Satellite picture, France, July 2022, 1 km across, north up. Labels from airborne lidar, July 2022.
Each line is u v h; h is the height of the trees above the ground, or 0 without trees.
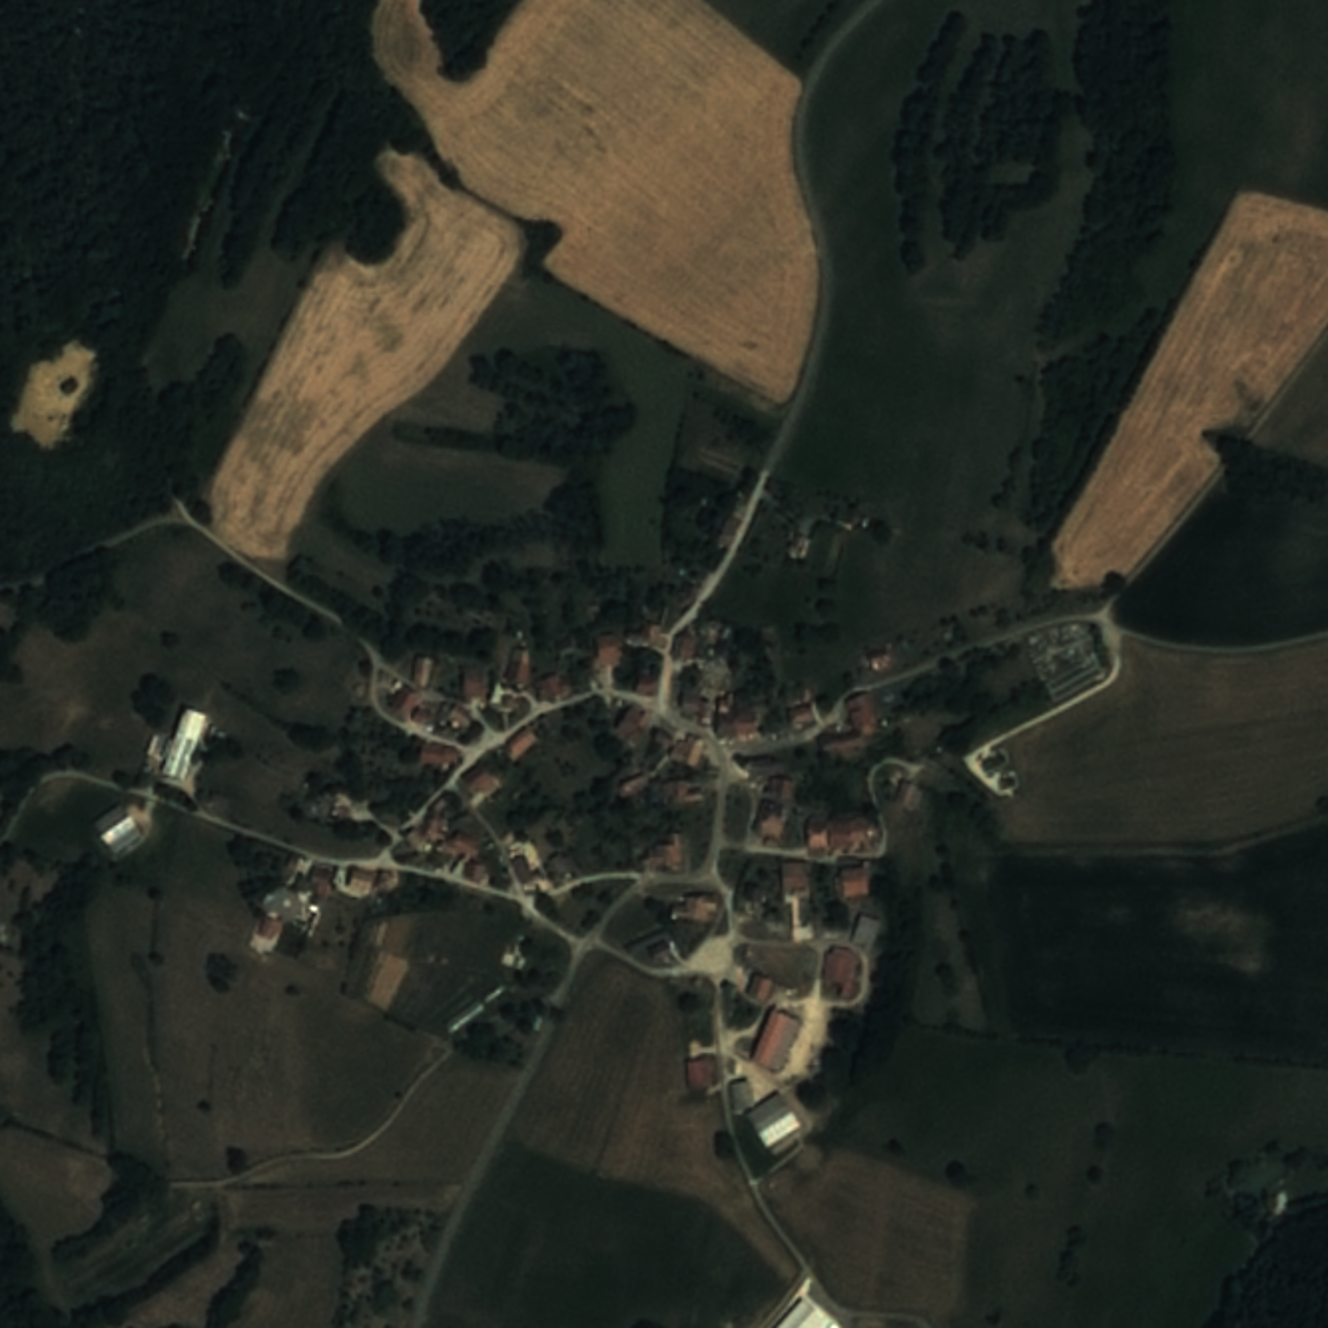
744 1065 0
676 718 0
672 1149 0
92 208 11
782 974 0
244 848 14
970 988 0
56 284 17
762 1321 0
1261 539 0
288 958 0
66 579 15
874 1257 0
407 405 0
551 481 0
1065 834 0
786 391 0
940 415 0
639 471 0
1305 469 6
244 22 17
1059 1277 7
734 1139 8
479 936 0
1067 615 0
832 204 0
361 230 14
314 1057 0
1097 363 11
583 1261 0
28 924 15
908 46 0
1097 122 15
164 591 0
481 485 0
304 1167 0
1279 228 0
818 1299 0
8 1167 0
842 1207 0
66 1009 16
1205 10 0
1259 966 0
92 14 14
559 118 0
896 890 21
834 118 0
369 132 20
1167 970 0
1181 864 0
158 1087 0
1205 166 0
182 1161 0
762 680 8
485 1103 0
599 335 0
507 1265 0
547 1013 16
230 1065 0
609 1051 0
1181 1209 0
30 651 0
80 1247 8
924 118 14
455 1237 0
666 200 0
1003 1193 0
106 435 7
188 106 26
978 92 11
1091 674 0
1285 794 0
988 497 0
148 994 0
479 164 0
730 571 0
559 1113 0
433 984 0
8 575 12
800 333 0
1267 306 0
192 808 14
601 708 7
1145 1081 0
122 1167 16
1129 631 0
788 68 0
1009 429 0
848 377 0
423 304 0
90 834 0
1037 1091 0
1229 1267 0
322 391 0
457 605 11
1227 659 0
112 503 6
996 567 0
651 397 0
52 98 14
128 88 14
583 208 0
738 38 0
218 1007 0
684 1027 0
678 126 0
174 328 0
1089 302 7
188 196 18
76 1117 0
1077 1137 0
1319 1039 0
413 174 0
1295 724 0
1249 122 0
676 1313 0
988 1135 0
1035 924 0
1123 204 20
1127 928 0
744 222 0
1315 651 0
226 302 0
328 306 0
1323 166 0
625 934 0
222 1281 0
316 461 0
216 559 0
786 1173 0
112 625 0
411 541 8
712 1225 0
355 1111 0
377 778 6
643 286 0
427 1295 0
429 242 0
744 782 0
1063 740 0
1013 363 0
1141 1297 0
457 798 8
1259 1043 0
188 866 0
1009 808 0
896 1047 18
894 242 0
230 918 0
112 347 15
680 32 0
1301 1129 0
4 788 12
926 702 13
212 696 0
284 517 0
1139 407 0
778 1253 0
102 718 0
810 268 0
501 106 0
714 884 0
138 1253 0
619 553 0
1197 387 0
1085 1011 0
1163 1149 0
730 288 0
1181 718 0
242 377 9
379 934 0
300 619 17
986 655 6
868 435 0
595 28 0
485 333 0
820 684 0
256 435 0
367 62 19
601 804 7
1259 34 0
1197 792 0
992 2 0
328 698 0
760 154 0
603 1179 0
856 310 0
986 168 10
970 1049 0
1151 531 0
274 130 18
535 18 0
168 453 16
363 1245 16
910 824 0
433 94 0
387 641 16
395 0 0
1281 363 0
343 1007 0
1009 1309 0
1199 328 0
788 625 0
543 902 12
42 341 8
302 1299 0
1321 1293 25
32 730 0
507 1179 0
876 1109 0
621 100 0
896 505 0
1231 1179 6
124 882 7
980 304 0
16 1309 22
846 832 0
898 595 0
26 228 14
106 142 17
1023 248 0
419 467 0
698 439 0
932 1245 0
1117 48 22
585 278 0
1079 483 8
